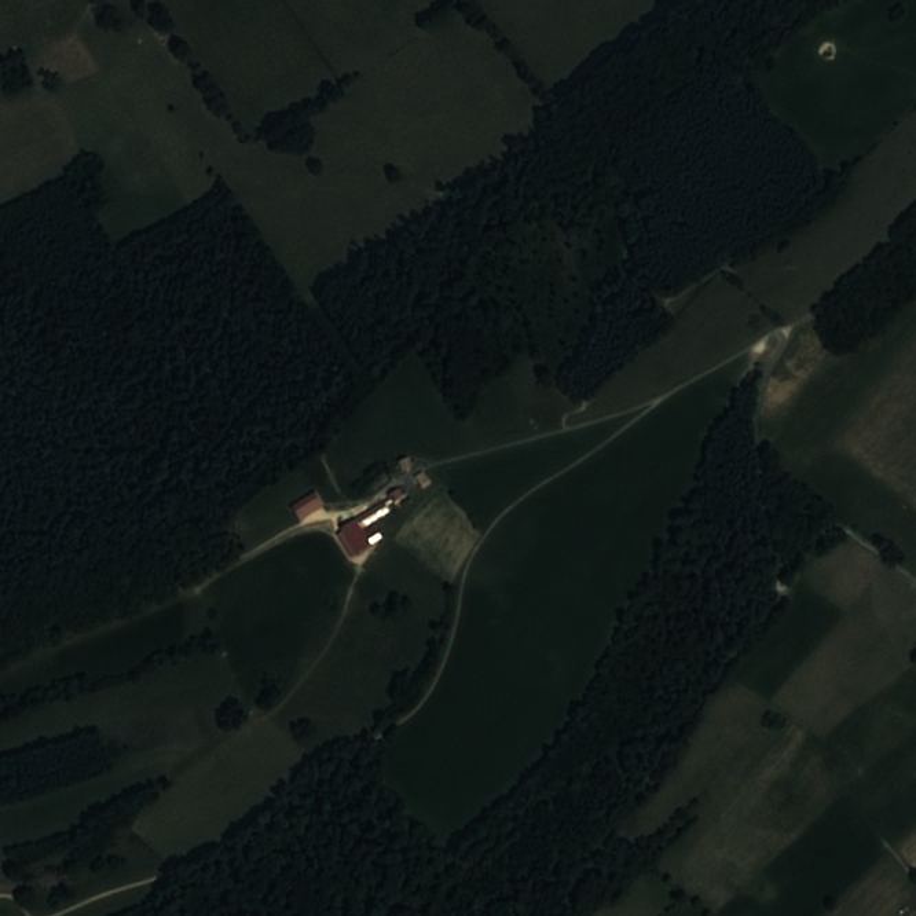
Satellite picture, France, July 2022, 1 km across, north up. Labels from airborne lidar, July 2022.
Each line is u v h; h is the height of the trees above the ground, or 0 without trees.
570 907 7
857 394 0
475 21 18
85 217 8
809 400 0
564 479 0
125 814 23
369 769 28
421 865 32
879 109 0
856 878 0
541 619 0
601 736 22
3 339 29
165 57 0
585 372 25
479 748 0
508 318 28
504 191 26
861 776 0
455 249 25
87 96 0
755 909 0
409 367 0
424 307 19
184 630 0
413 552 0
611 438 0
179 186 0
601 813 18
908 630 0
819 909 0
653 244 26
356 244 0
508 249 26
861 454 0
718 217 26
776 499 27
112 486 24
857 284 15
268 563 0
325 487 0
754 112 24
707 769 0
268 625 0
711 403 0
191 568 26
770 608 12
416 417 0
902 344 0
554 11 0
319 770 29
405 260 22
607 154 21
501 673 0
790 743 0
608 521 0
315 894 28
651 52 31
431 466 0
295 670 0
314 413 19
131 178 0
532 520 0
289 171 0
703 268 21
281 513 0
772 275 0
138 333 28
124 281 26
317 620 0
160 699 0
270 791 0
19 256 15
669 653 20
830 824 0
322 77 0
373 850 24
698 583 30
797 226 20
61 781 16
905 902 0
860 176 0
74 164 9
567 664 0
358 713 0
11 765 13
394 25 0
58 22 0
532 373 0
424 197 0
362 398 7
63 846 14
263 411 28
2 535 19
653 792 28
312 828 27
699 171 22
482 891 16
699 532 29
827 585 0
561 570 0
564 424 0
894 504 0
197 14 0
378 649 0
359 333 23
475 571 0
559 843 19
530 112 0
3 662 27
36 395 28
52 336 20
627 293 24
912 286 28
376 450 0
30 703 16
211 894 28
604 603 0
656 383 0
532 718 0
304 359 20
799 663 0
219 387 19
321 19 0
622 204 27
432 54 0
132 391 16
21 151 0
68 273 16
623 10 0
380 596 0
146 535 22
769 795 0
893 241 11
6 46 0
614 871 29
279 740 0
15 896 13
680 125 26
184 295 27
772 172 26
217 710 0
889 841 0
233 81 0
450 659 0
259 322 17
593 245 0
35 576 22
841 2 13
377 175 0
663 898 0
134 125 0
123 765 0
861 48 0
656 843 9
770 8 28
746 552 33
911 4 0
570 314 0
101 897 0
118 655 0
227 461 15
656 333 21
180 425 21
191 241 24
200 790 0
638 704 23
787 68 0
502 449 0
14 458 30
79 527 24
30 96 0
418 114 0
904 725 0
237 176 0
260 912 27
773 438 0
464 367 28
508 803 20
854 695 0
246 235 25
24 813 0
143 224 0
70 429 25
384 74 0
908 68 0
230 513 10
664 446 0
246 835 20
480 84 0
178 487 19
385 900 24
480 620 0
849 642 0
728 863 0
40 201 12
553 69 0
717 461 22
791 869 0
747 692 0
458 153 0
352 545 0
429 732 0
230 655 0
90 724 0
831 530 17
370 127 0
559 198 27
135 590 24
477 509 0
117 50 0
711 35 28
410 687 17
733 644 33
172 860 0
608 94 26
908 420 0
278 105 0
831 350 20
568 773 15
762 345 0
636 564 0
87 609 26
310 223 0
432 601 0
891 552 25
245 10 0
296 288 26
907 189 0
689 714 28
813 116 0
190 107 0
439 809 0
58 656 0
